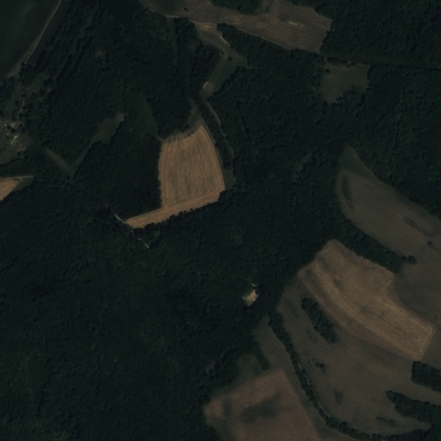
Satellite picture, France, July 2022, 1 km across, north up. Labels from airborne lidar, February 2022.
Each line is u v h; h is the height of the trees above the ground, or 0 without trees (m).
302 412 0
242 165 10
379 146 14
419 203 13
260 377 0
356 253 15
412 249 0
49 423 17
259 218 20
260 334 0
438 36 13
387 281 0
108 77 18
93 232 21
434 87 19
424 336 0
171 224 12
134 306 19
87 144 12
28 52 0
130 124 10
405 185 17
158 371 20
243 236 14
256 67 19
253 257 17
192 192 0
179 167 0
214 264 17
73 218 18
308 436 0
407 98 17
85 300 20
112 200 13
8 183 0
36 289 19
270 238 21
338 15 11
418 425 0
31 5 0
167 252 16
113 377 21
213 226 21
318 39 0
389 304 0
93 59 22
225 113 21
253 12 13
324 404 0
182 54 17
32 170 12
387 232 0
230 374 8
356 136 18
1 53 0
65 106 20
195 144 0
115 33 11
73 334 19
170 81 21
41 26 0
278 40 0
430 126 8
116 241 17
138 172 11
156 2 0
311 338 0
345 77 0
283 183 17
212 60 15
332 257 0
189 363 23
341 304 0
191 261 12
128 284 20
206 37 0
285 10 0
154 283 21
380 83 17
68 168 0
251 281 13
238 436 0
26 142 0
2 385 15
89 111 23
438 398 0
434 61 11
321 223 17
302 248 13
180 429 21
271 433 0
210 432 22
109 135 0
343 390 0
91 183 20
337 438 0
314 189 19
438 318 0
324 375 0
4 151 0
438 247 0
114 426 18
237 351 17
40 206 22
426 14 14
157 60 21
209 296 20
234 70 0
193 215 20
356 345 0
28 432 16
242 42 13
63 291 17
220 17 0
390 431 0
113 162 22
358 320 0
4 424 16
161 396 20
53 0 0
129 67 24
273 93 17
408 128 14
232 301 21
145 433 28
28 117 18
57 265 13
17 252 18
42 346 15
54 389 21
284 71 16
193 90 10
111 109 14
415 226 0
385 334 0
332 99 0
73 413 23
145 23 18
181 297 20
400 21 23
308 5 17
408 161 16
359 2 18
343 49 12
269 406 0
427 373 15
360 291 0
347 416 0
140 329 20
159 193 19
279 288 17
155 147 11
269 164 19
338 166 18
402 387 0
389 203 0
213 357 16
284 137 23
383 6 13
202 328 14
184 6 0
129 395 22
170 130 16
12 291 21
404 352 0
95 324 22
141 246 20
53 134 22
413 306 0
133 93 8
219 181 0
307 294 0
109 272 18
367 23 16
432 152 16
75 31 15
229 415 0
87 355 19
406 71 12
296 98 15
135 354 21
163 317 24
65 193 18
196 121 0
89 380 19
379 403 0
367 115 16
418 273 0
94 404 21
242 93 22
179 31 14
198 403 17
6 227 23
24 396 19
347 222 15
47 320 18
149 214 0
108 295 19
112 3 16
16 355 17
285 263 22
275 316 20
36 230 19
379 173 16
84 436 21
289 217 19
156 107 22
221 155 7
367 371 0
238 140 17
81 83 22
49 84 18
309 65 23
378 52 17
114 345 18
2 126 0
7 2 0
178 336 24
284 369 0
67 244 11
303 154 19
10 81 21
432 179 9
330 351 0
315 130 24
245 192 7
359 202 0
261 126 20
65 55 13
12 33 0
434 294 0
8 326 20
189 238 21
